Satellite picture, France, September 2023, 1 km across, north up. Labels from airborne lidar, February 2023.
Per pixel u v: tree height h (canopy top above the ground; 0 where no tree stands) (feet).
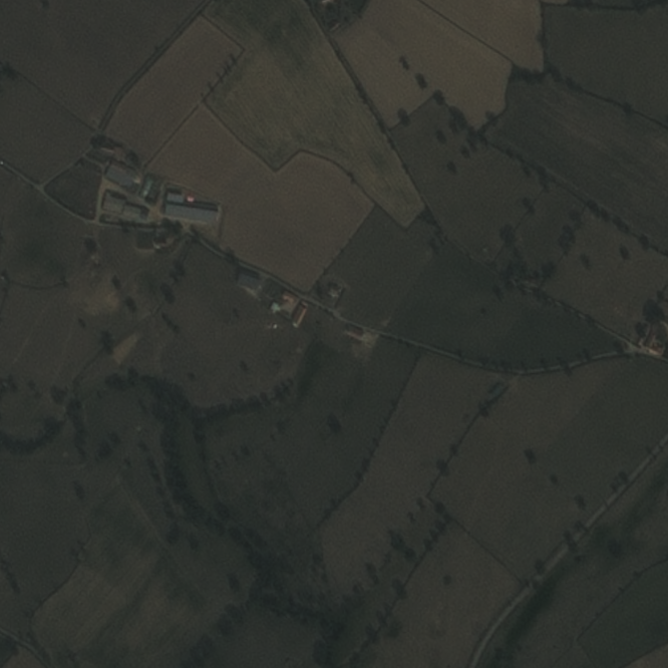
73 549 0
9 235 0
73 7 0
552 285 0
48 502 0
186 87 0
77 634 0
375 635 57
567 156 0
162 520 0
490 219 0
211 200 0
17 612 0
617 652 0
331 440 0
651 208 0
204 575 0
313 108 0
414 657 0
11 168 0
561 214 0
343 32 0
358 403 0
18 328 0
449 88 0
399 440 0
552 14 0
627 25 0
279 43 0
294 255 0
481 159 0
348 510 0
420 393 0
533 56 0
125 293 0
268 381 0
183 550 0
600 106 0
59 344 0
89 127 0
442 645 0
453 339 0
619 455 0
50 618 0
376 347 0
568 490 0
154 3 0
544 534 0
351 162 0
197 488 0
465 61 0
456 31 0
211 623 0
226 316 0
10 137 0
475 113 0
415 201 0
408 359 0
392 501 0
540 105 0
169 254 0
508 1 0
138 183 0
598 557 0
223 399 0
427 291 0
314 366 0
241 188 0
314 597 31
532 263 0
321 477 0
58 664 0
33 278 0
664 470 0
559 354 0
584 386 0
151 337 0
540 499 0
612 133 0
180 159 0
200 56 0
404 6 0
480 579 0
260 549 52
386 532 0
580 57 0
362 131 0
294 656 0
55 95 0
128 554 0
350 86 0
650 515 0
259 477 0
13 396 0
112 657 0
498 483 0
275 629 0
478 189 0
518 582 0
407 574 0
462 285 0
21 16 0
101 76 0
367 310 0
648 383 0
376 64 0
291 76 0
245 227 0
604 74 0
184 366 0
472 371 0
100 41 0
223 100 0
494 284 0
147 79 0
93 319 0
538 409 0
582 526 35
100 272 0
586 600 0
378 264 0
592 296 0
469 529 0
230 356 0
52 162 0
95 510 0
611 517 0
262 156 0
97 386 0
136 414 0
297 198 0
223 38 0
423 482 0
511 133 0
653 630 0
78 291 0
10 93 0
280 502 0
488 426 0
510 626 0
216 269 0
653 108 0
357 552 0
